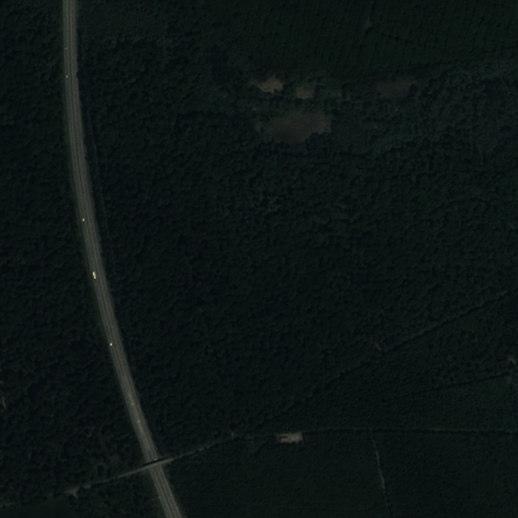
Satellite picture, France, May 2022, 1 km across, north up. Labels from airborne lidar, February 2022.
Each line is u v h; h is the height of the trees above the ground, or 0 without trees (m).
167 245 28
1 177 31
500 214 24
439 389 14
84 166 0
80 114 0
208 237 29
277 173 25
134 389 0
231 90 27
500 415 17
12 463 29
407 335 20
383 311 26
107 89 26
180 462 12
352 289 28
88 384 31
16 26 27
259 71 10
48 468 28
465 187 24
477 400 15
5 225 28
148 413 20
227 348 23
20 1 19
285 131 0
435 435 10
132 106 25
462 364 17
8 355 26
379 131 13
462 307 23
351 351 25
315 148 24
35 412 30
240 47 11
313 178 29
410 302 23
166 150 26
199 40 24
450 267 23
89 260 0
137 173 28
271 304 29
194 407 32
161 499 0
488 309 19
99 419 32
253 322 31
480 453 12
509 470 15
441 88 22
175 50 16
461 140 14
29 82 29
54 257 27
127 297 28
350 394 19
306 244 28
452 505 15
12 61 30
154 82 28
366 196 27
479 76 26
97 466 0
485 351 15
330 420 18
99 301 0
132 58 32
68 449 31
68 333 30
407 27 13
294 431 15
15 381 20
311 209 25
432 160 25
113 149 27
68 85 0
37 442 31
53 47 24
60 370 26
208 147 26
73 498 14
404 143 10
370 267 29
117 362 0
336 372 19
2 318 21
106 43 19
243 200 25
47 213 30
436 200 26
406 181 26
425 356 12
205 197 28
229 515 13
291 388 30
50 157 27
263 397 26
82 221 0
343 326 26
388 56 13
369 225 29
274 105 22
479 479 13
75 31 0
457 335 10
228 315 29
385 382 19
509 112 28
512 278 22
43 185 32
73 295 28
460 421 15
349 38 16
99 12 11
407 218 28
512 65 20
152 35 12
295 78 10
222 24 16
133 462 14
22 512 0
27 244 28
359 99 12
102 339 9
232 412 28
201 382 31
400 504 10
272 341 31
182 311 34
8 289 30
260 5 15
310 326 31
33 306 22
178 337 31
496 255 28
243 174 28
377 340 26
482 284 26
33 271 31
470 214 25
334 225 28
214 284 34
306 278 32
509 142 23
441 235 23
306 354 30
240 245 27
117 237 26
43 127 28
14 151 32
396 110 8
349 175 27
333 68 12
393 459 15
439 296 25
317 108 18
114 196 28
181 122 26
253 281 27
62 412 29
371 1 12
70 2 0
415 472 12
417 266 24
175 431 29
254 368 29
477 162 25
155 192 28
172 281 30
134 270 30
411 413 19
